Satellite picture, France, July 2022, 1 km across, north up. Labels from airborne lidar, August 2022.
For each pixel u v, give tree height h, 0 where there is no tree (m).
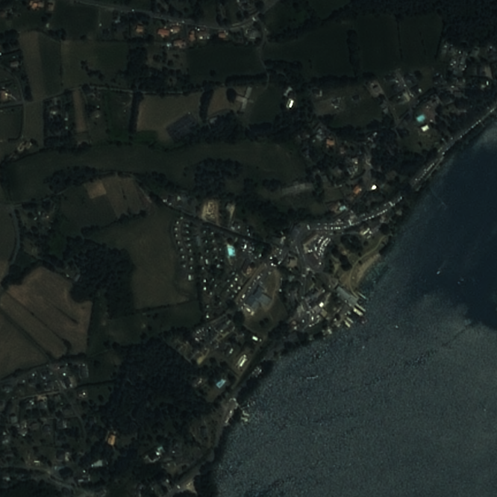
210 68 0
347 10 16
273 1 0
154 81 14
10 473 18
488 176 0
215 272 10
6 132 0
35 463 0
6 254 0
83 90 10
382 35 0
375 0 18
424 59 0
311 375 0
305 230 0
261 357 6
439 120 20
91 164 0
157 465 12
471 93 23
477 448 0
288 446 0
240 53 0
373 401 0
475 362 0
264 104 0
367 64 0
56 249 0
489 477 0
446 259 0
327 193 0
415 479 0
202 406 27
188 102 0
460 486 0
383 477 0
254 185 10
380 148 11
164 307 7
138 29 0
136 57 17
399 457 0
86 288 9
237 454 0
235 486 0
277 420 0
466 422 0
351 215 0
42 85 0
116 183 0
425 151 13
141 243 0
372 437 0
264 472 0
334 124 0
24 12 0
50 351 0
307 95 14
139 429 14
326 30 0
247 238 11
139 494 10
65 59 0
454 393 0
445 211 0
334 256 14
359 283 0
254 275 0
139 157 0
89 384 8
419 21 0
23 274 11
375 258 0
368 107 0
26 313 0
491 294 0
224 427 8
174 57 6
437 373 0
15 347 0
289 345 22
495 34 17
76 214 0
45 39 0
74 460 18
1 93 0
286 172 0
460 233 0
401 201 10
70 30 0
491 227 0
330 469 0
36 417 9
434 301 0
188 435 17
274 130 13
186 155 0
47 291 0
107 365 0
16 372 7
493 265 0
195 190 10
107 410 21
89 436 9
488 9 22
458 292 0
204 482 8
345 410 0
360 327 0
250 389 22
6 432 8
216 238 11
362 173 6
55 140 13
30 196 0
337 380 0
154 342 25
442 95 10
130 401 19
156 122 0
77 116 0
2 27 0
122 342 0
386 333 0
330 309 0
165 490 24
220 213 9
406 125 0
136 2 0
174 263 0
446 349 0
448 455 0
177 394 32
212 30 0
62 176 8
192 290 0
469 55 8
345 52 0
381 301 0
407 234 0
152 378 22
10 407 10
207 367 13
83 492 0
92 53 0
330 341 0
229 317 16
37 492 10
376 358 0
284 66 9
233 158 0
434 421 0
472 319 0
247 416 0
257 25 10
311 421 0
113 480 16
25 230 13
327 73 0
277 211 15
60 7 0
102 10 0
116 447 17
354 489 0
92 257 13
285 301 11
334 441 0
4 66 6
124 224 13
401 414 0
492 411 0
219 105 0
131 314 9
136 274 0
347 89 0
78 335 0
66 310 0
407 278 0
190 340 20
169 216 0
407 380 0
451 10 17
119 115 0
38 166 0
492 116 11
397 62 0
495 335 0
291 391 0
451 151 18
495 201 0
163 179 20
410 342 0
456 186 0
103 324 0
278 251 0
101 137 0
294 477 0
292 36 13
